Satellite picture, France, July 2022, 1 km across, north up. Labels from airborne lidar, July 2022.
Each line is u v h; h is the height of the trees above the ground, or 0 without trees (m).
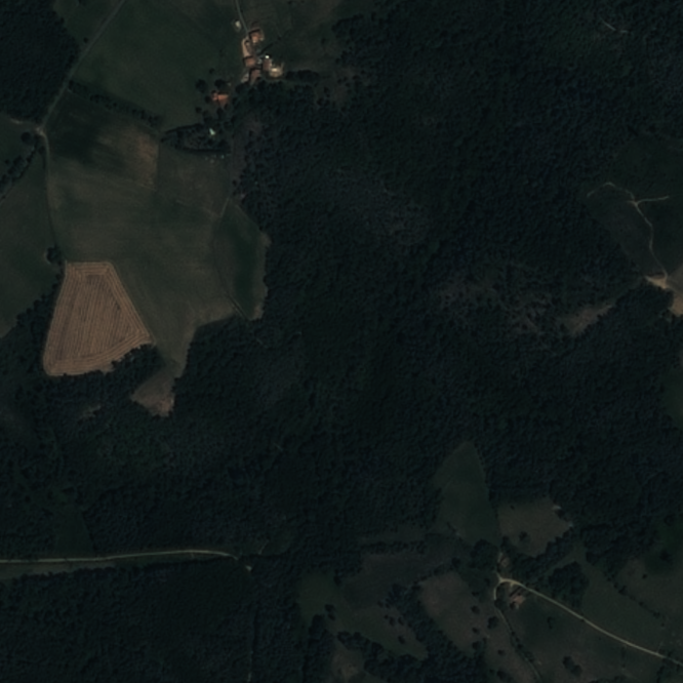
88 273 0
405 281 17
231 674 12
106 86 0
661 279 0
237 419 16
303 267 15
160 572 23
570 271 11
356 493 10
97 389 18
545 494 16
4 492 21
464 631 0
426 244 16
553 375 20
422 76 16
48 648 18
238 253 0
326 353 10
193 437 17
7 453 21
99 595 24
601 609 0
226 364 18
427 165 15
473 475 0
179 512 20
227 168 0
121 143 0
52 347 0
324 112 9
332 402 16
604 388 22
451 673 19
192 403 18
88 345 0
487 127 15
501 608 8
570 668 13
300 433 8
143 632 16
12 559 16
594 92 20
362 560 12
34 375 21
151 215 0
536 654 0
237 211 0
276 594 19
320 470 20
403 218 18
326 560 17
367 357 25
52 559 0
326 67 0
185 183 0
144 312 0
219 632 14
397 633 0
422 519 10
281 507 14
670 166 0
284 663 25
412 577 0
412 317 23
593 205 0
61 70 11
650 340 19
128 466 11
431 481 10
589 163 19
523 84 20
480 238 19
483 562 13
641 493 27
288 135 11
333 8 0
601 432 24
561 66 7
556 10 9
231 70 0
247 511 16
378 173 13
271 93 18
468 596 0
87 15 0
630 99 13
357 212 14
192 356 13
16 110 11
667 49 15
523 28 15
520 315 10
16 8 9
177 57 0
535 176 20
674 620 0
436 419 18
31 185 0
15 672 14
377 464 20
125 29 0
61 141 0
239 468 17
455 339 7
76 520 0
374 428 10
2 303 0
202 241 0
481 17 17
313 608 0
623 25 12
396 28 18
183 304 0
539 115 20
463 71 16
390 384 11
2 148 0
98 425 13
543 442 23
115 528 18
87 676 23
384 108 12
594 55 7
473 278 17
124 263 0
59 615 18
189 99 0
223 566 16
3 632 15
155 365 10
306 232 16
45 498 6
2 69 14
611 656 0
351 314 12
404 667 24
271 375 14
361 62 14
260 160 12
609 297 8
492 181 8
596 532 21
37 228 0
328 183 15
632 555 17
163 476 9
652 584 0
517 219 18
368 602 0
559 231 21
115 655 22
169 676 27
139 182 0
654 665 0
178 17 0
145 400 0
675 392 0
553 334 7
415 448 6
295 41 0
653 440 23
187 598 18
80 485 18
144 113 8
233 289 0
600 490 19
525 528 0
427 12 19
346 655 0
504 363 15
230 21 0
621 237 0
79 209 0
